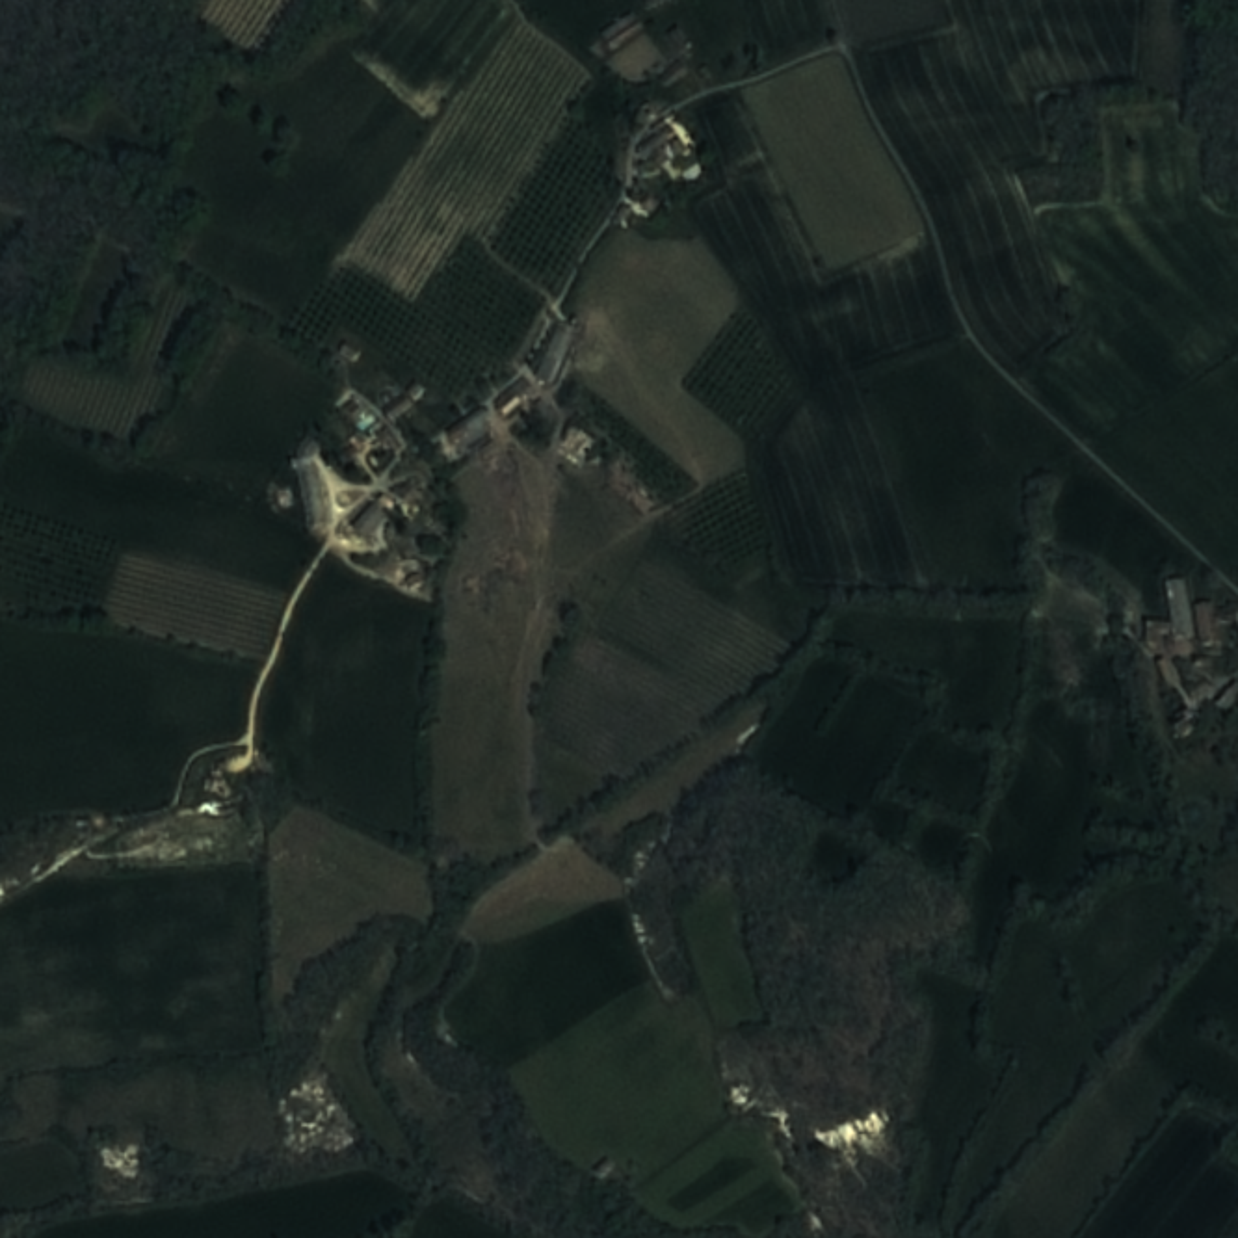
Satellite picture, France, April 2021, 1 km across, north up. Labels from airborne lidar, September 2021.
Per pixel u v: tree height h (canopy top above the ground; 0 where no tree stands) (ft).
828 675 0
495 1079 38
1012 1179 39
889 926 51
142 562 0
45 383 0
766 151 0
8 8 49
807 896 51
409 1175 55
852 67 0
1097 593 53
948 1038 0
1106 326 0
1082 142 48
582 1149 0
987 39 0
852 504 0
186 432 0
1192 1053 0
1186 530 0
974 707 0
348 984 46
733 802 56
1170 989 32
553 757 0
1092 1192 0
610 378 0
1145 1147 36
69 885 0
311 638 0
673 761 45
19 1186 0
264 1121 0
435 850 44
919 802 29
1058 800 0
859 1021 28
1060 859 0
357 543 0
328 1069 21
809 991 51
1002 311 0
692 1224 0
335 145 0
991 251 0
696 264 0
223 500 0
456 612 0
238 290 0
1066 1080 0
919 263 0
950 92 0
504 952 0
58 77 45
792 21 0
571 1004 0
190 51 55
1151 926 0
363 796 0
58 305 75
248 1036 0
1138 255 0
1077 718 0
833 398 0
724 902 0
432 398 0
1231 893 0
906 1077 50
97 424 0
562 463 0
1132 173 0
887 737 0
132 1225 0
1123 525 0
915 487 0
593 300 0
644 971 0
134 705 0
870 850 52
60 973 0
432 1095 0
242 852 0
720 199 0
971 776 0
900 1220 29
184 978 0
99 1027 0
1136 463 0
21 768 0
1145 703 54
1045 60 0
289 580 0
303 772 0
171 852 0
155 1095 0
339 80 0
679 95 0
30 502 0
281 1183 37
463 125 0
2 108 63
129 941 0
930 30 0
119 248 49
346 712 0
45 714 0
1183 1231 0
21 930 0
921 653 0
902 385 0
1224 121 51
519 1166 43
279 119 0
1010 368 0
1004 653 0
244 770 0
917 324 0
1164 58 0
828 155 0
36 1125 0
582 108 25
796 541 0
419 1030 37
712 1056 0
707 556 27
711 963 0
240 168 0
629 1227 51
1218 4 86
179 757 0
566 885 0
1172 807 28
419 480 0
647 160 26
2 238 0
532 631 0
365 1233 0
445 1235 0
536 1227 51
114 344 52
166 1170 26
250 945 0
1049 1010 0
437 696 50
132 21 52
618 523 0
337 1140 0
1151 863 44
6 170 49
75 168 58
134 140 0
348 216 0
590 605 0
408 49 0
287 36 55
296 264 0
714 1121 0
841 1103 31
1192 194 0
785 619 0
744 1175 0
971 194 0
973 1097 0
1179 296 0
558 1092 0
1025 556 51
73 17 49
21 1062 0
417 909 0
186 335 56
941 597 49
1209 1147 0
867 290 0
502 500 0
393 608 0
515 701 0
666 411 0
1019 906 64
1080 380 0
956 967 63
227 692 0
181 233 62
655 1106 0
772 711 20
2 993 0
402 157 0
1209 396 0
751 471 0
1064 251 0
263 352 0
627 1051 0
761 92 0
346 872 0
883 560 0
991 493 0
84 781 0
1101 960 0
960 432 0
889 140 0
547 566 0
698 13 0
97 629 58
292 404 0
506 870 43
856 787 0
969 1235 35
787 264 0
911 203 0
